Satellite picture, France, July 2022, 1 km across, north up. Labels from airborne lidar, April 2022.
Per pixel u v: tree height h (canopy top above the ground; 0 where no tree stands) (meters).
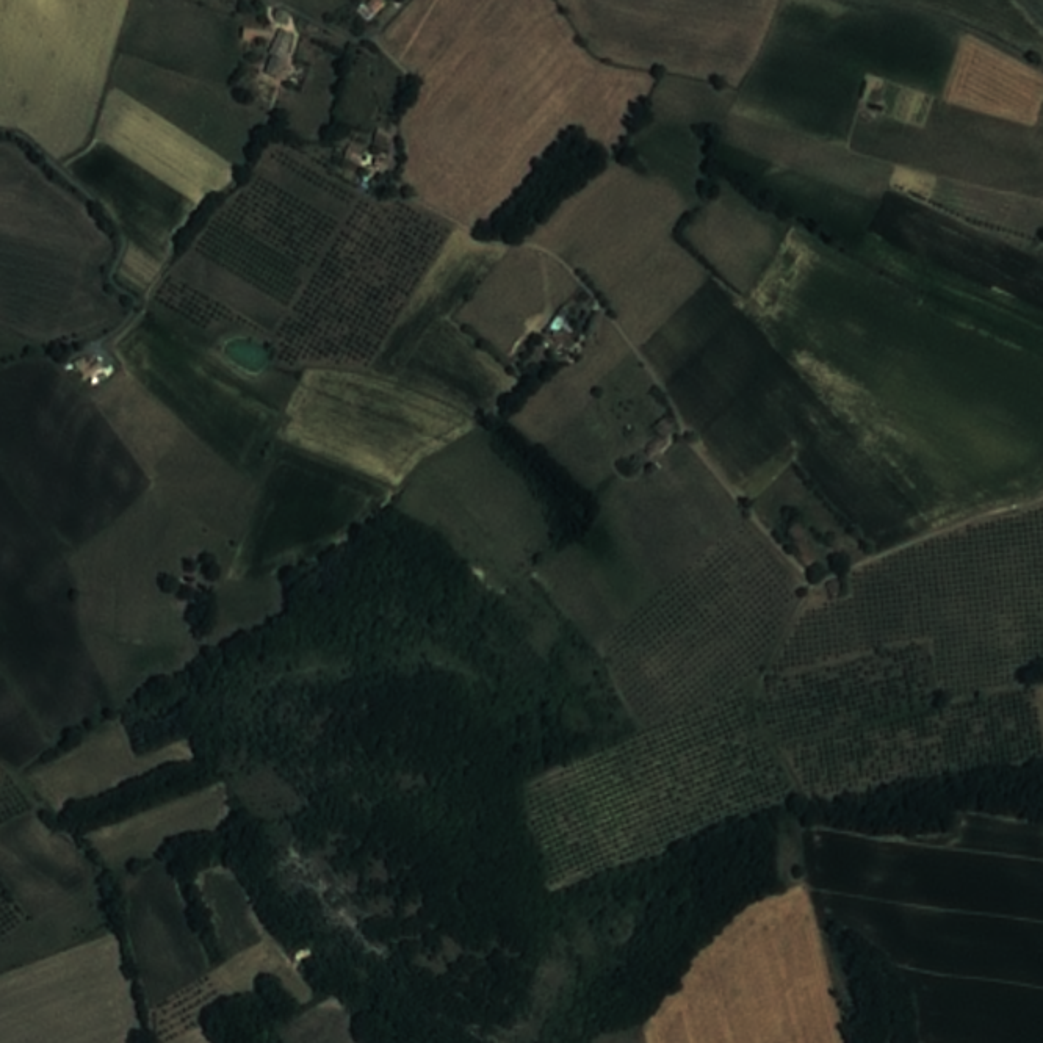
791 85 0
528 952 11
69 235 0
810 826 17
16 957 0
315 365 0
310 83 0
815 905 0
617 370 0
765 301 0
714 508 0
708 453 0
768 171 0
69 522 0
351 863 9
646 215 0
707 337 0
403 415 0
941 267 0
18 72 0
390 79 0
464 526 0
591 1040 7
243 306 0
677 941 16
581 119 0
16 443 0
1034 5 0
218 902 0
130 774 0
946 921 0
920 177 0
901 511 0
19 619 0
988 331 0
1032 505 0
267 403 0
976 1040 0
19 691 0
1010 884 0
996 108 0
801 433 0
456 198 0
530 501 0
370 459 0
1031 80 0
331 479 0
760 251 0
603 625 0
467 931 10
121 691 0
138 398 0
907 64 0
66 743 13
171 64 0
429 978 9
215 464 0
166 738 12
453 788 12
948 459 0
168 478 0
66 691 0
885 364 0
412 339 0
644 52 0
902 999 15
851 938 19
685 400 0
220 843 10
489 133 0
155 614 0
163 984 0
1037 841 0
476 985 8
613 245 0
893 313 0
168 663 0
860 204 0
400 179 7
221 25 0
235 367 0
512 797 15
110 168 0
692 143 0
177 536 0
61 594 0
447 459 0
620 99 0
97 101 0
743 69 0
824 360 0
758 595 0
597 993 10
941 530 0
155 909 0
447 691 11
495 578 0
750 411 0
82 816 15
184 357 0
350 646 9
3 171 0
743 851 21
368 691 9
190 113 0
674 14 0
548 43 0
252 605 0
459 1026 8
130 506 0
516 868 11
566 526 10
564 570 0
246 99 16
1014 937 0
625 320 0
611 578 0
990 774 14
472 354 0
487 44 0
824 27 0
